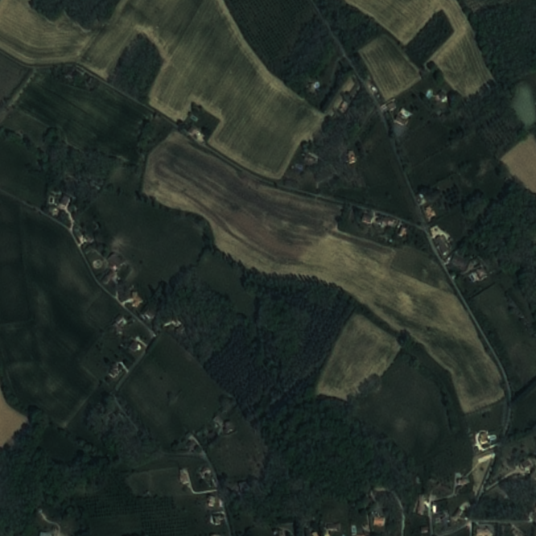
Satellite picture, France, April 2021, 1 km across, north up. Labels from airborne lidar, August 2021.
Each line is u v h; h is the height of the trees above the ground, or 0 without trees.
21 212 0
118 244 0
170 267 0
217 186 0
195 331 23
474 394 0
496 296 0
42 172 7
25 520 21
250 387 17
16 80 0
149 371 0
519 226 22
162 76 0
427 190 11
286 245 0
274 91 0
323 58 23
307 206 0
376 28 12
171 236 0
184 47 0
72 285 0
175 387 0
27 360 0
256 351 8
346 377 0
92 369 0
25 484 26
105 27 0
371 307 0
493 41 23
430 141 0
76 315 0
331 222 0
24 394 0
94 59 0
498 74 11
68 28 0
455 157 0
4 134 13
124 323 0
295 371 13
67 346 0
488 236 21
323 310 18
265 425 13
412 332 0
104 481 13
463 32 0
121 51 0
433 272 0
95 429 23
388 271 0
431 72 15
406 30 0
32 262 0
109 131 0
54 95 0
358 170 6
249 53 0
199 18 0
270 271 0
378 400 0
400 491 26
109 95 0
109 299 0
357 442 26
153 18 0
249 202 0
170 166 0
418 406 0
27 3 0
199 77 0
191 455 0
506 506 9
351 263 0
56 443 0
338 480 19
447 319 0
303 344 16
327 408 19
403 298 0
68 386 0
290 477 16
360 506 11
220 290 0
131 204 0
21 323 0
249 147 0
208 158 0
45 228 0
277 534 0
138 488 0
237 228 0
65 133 0
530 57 12
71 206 9
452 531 0
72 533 0
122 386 0
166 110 0
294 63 7
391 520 19
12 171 0
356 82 14
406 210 0
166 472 0
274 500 23
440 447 0
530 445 0
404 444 0
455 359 0
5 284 0
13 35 0
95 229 0
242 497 18
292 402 25
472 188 0
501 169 10
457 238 0
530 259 16
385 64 0
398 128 0
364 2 0
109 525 0
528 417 0
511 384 6
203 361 16
